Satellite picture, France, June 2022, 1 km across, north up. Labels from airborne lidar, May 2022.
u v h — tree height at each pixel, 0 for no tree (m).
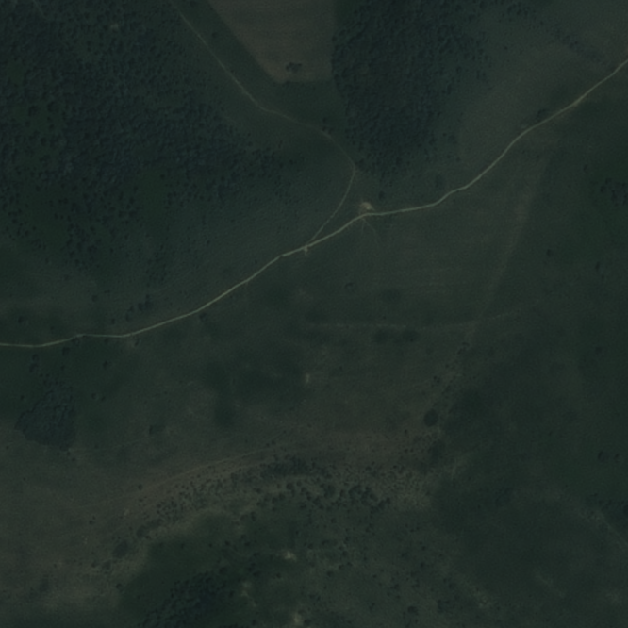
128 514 0
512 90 0
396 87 17
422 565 8
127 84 10
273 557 7
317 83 0
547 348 0
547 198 0
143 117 13
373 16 13
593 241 0
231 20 0
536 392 0
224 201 10
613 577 0
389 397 0
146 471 0
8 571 0
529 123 0
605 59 0
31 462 0
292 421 0
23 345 0
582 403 0
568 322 0
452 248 0
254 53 0
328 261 0
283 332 0
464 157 0
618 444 0
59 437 9
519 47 0
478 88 0
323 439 0
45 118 0
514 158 0
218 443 0
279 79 0
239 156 13
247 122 0
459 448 0
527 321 0
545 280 0
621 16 0
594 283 0
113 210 13
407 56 14
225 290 0
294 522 0
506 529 0
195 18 0
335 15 0
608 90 0
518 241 0
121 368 0
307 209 0
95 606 0
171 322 0
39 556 0
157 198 0
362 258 0
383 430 0
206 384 0
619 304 0
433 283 0
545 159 0
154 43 17
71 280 6
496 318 0
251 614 0
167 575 0
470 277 0
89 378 0
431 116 14
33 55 14
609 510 6
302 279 0
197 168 19
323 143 0
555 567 0
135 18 11
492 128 0
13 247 0
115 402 0
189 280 0
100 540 0
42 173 10
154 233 0
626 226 0
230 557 0
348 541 10
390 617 0
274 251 0
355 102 11
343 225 0
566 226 0
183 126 10
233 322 0
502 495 7
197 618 10
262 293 0
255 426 0
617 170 0
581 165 0
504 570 0
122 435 0
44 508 0
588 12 0
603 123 0
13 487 0
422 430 0
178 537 0
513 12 9
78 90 12
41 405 6
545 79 0
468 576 0
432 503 0
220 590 8
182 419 0
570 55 0
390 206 0
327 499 8
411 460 0
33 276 0
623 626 0
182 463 0
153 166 11
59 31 9
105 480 0
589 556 0
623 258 0
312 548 11
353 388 0
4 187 9
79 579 0
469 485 0
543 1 0
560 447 0
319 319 0
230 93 0
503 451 0
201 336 0
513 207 0
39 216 0
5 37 23
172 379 0
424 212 0
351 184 0
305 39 0
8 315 0
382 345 0
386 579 0
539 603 0
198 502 0
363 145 10
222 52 0
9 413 0
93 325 0
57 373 0
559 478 0
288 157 0
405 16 15
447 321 0
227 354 0
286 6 0
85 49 0
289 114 0
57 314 0
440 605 8
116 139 13
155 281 7
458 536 0
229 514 0
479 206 0
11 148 14
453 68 0
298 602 0
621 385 0
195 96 13
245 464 0
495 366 0
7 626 0
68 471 0
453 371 0
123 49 16
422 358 0
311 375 0
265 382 0
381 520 0
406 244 0
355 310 0
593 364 0
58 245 0
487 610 0
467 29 0
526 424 0
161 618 13
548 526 0
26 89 8
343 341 0
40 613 0
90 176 17
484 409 0
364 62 18
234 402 0
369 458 0
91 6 15
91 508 0
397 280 0
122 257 0
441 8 18
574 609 0
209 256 0
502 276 0
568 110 0
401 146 14
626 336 0
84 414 0
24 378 0
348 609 0
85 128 20
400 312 0
